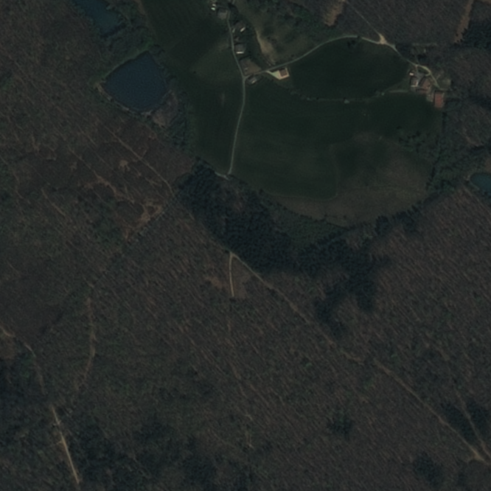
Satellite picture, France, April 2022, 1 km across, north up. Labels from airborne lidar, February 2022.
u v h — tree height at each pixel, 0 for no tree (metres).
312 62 0
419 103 0
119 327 0
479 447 23
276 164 0
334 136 0
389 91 0
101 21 0
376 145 0
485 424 29
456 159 23
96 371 25
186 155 16
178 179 6
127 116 8
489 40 31
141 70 0
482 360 28
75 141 0
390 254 24
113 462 13
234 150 0
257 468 25
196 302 25
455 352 28
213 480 14
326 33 30
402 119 0
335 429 23
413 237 23
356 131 0
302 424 28
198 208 29
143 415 17
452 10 27
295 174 0
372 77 0
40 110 20
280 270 25
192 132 20
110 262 25
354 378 28
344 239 32
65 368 28
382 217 0
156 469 12
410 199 0
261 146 0
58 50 19
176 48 0
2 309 12
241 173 0
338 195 0
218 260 21
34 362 29
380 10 30
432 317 29
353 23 33
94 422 26
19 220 25
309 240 7
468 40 18
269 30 0
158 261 27
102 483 27
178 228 25
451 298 29
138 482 28
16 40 24
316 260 21
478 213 29
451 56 30
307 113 0
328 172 0
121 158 6
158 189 8
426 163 0
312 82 0
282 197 0
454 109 25
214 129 0
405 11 30
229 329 24
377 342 26
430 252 26
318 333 24
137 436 20
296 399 27
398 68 0
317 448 27
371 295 32
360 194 0
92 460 12
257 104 0
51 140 0
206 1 11
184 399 14
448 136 23
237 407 23
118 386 26
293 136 0
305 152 0
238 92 0
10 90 23
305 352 28
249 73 0
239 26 0
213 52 0
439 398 28
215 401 18
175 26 0
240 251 32
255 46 0
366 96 0
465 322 29
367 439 26
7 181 0
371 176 0
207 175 28
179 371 16
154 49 16
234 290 0
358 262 23
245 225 24
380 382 28
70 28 16
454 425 31
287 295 24
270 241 21
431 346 28
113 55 23
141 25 20
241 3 0
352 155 0
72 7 14
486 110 29
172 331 26
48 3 24
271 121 0
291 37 0
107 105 17
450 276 25
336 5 37
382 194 0
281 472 26
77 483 0
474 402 22
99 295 27
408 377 29
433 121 0
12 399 33
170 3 0
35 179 10
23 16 23
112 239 24
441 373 25
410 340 29
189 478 12
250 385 26
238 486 16
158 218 0
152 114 0
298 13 22
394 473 24
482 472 17
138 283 29
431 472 21
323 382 27
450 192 28
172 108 0
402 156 0
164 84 0
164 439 14
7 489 29
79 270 17
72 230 0
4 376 17
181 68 0
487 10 28
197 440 18
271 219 30
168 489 11
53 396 30
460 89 23
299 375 28
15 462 29
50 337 27
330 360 29
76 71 14
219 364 28
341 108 0
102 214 26
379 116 0
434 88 0
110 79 0
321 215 0
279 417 27
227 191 23
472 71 29
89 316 26
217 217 30
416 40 27
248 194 23
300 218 6
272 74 0
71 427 32
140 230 0
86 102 24
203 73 0
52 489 25
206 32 0
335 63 0
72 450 14
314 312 20
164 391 16
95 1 0
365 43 0
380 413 25
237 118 0
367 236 26
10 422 25
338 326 26
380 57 0
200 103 0
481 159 19
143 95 0
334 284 24
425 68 0
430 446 24
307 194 0
